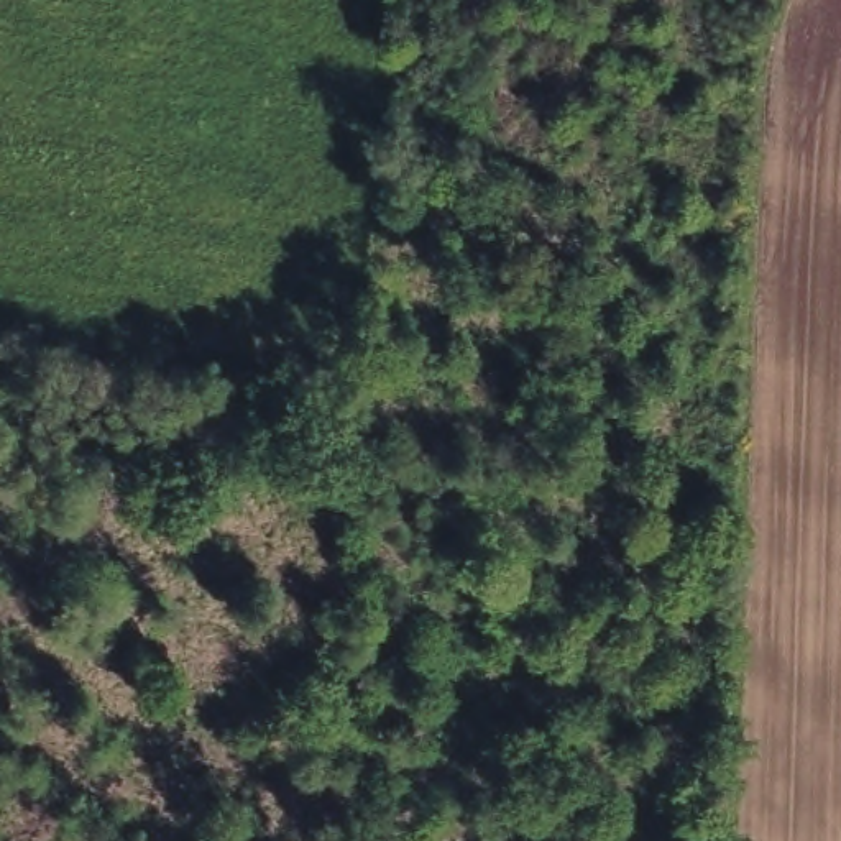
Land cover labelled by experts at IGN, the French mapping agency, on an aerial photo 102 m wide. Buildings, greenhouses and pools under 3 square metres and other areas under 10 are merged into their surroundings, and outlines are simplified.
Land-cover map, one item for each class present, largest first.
<instances>
[{"label":"agricultural land","instance_id":"1","mask_svg":"<svg viewBox=\"0 0 841 841\"><path fill-rule=\"evenodd\" d=\"M384 30V0H0V299L16 302L23 309L49 312L59 322L99 319L108 329L112 342L174 345L184 352L214 322L253 332L289 329V312L296 306H332L338 299H352L371 283L368 273L342 260L335 233H329L322 223L335 214L358 210L361 191L371 184L378 187L381 177H375L371 171L365 161V138L375 125H384L388 118L391 92L398 89L388 76L394 72L388 66L391 46H375V39ZM785 26L775 36L765 76V138L759 141V148L765 151V168L756 240L759 283L752 335V430L742 440V447L752 453L749 506L746 519L752 526L756 558L742 614V627L752 641L749 673L742 680V733L749 739V759L739 762V775L746 782L739 834L749 841H841V0H788V7L782 10Z\"/></svg>","mask_w":841,"mask_h":841},{"label":"deciduous trees","instance_id":"2","mask_svg":"<svg viewBox=\"0 0 841 841\"><path fill-rule=\"evenodd\" d=\"M506 82V76L499 66H489L470 85L450 95V118L470 131H483L496 118V89ZM529 181L522 171L489 187L483 197L453 194L443 207L453 210L466 227H486L506 214L526 210ZM598 243L588 246L581 266L575 269L552 263L545 250H535L526 263L503 266V283L509 289L506 296H489L473 266L463 279L443 276L434 289V299L427 302L447 312L450 322L460 312L493 309L499 312V325L509 329L558 325L555 338L545 345V355L581 358V371L575 375V411H588L604 388L601 365L591 352L601 332V306L611 302L624 286H631L634 276L627 263L614 253V246L611 227H598ZM365 352L348 355L335 368H319L309 378L306 398L289 401L286 417L279 424H266L263 430L250 434L246 460L240 453L207 450L200 453L197 473L158 476L148 480V486H141L131 499L118 496L115 516L141 529L145 539L161 535L174 542L177 552H194L214 529L223 526V519H237L243 512L246 493L260 506H273L276 516L286 519V532L312 529L315 509L345 512L342 568L358 595L345 604H325L319 611V634L325 637L319 644V667L309 683L289 687L283 693L279 706L286 713L273 739L269 752H276V759H283L296 772L292 782L306 792L335 788L345 802V821H338L335 828H322L315 841H411L440 808L450 805L434 788H417L407 782L414 769L434 765L440 759L443 723L457 710L453 680L460 673L496 677L506 673L516 660L526 664L532 673H542L549 683H598V703L578 706L542 729H529L522 736L506 739L503 765L512 785L506 788L503 802H486L480 815L457 808L463 841H627L634 828L631 785L664 759L667 746L657 733L647 736L644 746L627 749L624 756L611 752L601 736L608 733V713L614 706V696L621 693L627 700L631 716L637 719L654 716L657 710H667L680 700H690V693L706 680L719 687L726 710L719 726L723 762L710 769V779L719 788V802L700 818V825H683L677 831V838L683 841H749L739 834L746 782L739 775V762L749 759V739L742 733V680L749 673L752 641L742 627V614L756 558L752 526L746 519L749 506L742 499H726L716 509V519L703 516L690 522H670V503L680 486L677 473L660 460H644L637 499L650 506L644 526L627 542V558L634 562L631 601L608 598L595 604L585 618L572 621V631L565 637L555 634L549 641L545 654L526 647L519 637L506 631V621L519 608L549 611L555 598V581L535 575L532 568L549 562L568 565L575 558L578 542L598 532L581 506L588 493H595L604 483L608 434V427L598 421L588 427V434L568 450V476L516 473H463L453 476L427 466L411 430L404 437L388 440H361V430L371 424L375 404L411 398V391L421 381L466 384L480 371L476 348H450V355H434L421 332V322L414 319V306L401 309V299L394 292L375 286L358 306ZM440 493H460L466 506H473L483 516L486 532L480 535V542L489 545V565L466 558L460 568L450 558L430 555ZM125 683L135 690L141 719L168 726L194 706V700L191 683H184L171 657H164L135 664V673ZM256 828L253 808L223 802L214 811L210 821H200L194 841H250Z\"/></svg>","mask_w":841,"mask_h":841},{"label":"brushwood","instance_id":"3","mask_svg":"<svg viewBox=\"0 0 841 841\"><path fill-rule=\"evenodd\" d=\"M631 0H384V30L375 39V46H391L388 66L394 72L388 76L398 89L391 92L388 118L394 128H411L417 105L450 118V95L470 85L489 66L499 43L522 36L526 30H545L552 36L572 39L575 49L588 53L591 43L608 36L614 7ZM660 23H634L631 39L654 46L660 53V62L644 66L634 59L604 56L598 69L595 99L588 105L568 102L562 108V118L552 122V135L539 145V164L558 174H575V181L585 184V197H562L545 217L555 223H568V217H595L598 227H611L614 246L637 243L654 263H664L673 273L670 299L634 276L631 286H624L611 302L601 306V332L591 352L601 365L604 388L588 411H575V375L581 371V358L545 355L542 371L522 381L506 414L509 424L526 421L535 427V450L516 470V473L568 476V450L588 434V427L598 421L608 427V434L618 427H631L644 440V460H660L677 473L683 466H696L710 480H716L729 496L736 483L733 457L742 447V440L752 430V335L759 283L756 240L765 168V151L759 148V141L765 138V76L775 36L785 26L782 10L788 7V0H657ZM680 69L696 72L706 89L693 99L687 112L670 118L660 108L657 95H664L673 85ZM719 115H736L742 122V164L736 171V197L710 207L703 200V181L713 171V131L719 125ZM667 158L680 164L687 174V204L680 220L654 217L647 164ZM700 230H726L736 240L726 256V279L719 292V309L729 312L733 322L719 335L703 329L700 302L706 296V276L680 246L690 233ZM375 177H381L394 181L398 187L388 210L381 214V223L391 230H414L427 210L443 207L453 194V184L470 181L476 174L473 161L443 164L437 158H424L421 151L391 148V158L371 171ZM227 614L243 624L260 621L273 604L269 581L256 575L250 585L223 588L217 595ZM135 608V591L128 588H115L105 598H82L79 604L62 608L53 627L43 631L33 641V647L59 657L66 670H72L85 657H92L102 667L108 637L128 621ZM46 726H56V719L49 716V700H43L39 693H13L10 713L0 719V798H13L26 811L62 818L69 828H82V841H194L200 821H210L214 811L210 805H204L191 828H177L161 821L154 808H141L135 802L108 795L112 785H118L115 772L135 759L131 733L138 723L112 716L99 693H89L82 716L69 729L85 739V746L62 759L36 746ZM273 739L240 729H227L217 736V742H223L233 756L243 759L269 752ZM411 841H463L457 808L450 805L440 808Z\"/></svg>","mask_w":841,"mask_h":841},{"label":"herbaceous vegetation","instance_id":"4","mask_svg":"<svg viewBox=\"0 0 841 841\"><path fill-rule=\"evenodd\" d=\"M634 23H660L657 0H631L614 7L608 36L591 43L588 53L575 49L572 39L552 36L545 30H526L522 36L499 43L489 66H499L506 76V82L496 89V118L483 131H470L450 118L417 105L411 128H394L388 118L384 125H375L365 138V161L371 171L391 158V148L421 151L424 158H437L443 164L473 161L476 174L470 181L453 184V194L483 197L489 187L522 171L529 181L526 210L506 214L486 227H466L453 210L443 207L427 210L414 230H391L381 223V214L388 210L398 187L394 181L381 177L378 187L371 184L361 191L358 210L335 214L322 223L329 233H335L342 260L368 273L371 283L375 286L394 292L401 299V309L414 306V319L421 322V332L434 355H450V348H476L480 371L466 384L421 381L411 391V398L375 404L371 424L361 430V440H388L404 437L411 430L427 466L453 476L463 473L466 453L460 440L480 427L483 443L512 453L516 470L535 450V427L526 421L509 424L506 414L522 381L542 371L545 355V345L555 338L558 325L509 329L499 325V312L493 309L460 312L450 322L447 312L427 302L434 299V289L443 276L463 279L473 266L489 296H506L509 289L503 283V266L526 263L535 250H545L552 263L575 269L581 266L588 246L598 243V227L595 217H568V223H555L545 217L562 197H585V184L575 181V174H558L539 164V145L552 135V122L562 118V108L568 102L588 105L595 99L598 69L604 56L634 59L644 66L660 62V53L654 46L631 39ZM371 237L388 243H411L417 260L388 269V260L381 253H368ZM706 89L696 72L680 69L673 85L664 95H657L660 108L670 118L687 112L693 99ZM713 171L703 181V200L710 207L736 197V171L742 164V122L736 115H719V125L713 131ZM687 174L680 164L667 158L647 164L654 217L680 220L687 204ZM736 240L726 230H700L690 233L680 246L706 276V296L700 302L703 329L719 335L733 322L729 312L719 309V292L726 279V256ZM614 253L627 263L634 276L670 299L673 273L664 263H654L637 243L614 246ZM289 329L253 332L214 322L184 352L174 345L112 342L108 329L99 319L59 322L49 329V338L43 345L69 348L76 365H102L108 378L128 368L135 378L148 371L154 378H164L168 384H184L207 365H217L227 381L273 375L283 361L296 355L306 335L329 332L335 325L332 306H296L289 312ZM604 483L595 493H588L581 506L598 532L578 542L575 558L568 565L549 562L532 568L535 575L555 581V598L549 611L519 608L506 621V631L519 637L526 647L545 654L549 641L555 634L565 637L572 631V621L585 618L595 604L608 598L631 601L634 562L627 558V542L644 526L650 506L637 499L644 460V440L631 427H618L608 434ZM736 483L729 496L716 480H710L696 466H683L677 473L680 486L670 503V522H690L703 516L716 519V509L726 499H742L749 506L752 453L742 447L733 457ZM486 532L483 516L473 506H466L460 493H440L430 555L450 558L460 568L466 558L489 565V545L480 542V535ZM338 821H345V802L335 788L306 792L302 841H315L322 828H335Z\"/></svg>","mask_w":841,"mask_h":841},{"label":"coniferous trees","instance_id":"5","mask_svg":"<svg viewBox=\"0 0 841 841\"><path fill-rule=\"evenodd\" d=\"M368 253H381L388 260V269L417 260L411 243H388L371 237ZM375 286L371 283L352 299H338L332 306L335 325L329 332L306 335L296 355L283 361L273 375L227 381L217 365H207L184 384H168L164 378H154L148 371L135 378L128 368L108 378L102 365H76L69 348L43 345L49 338V329L59 322L49 312L23 309L16 302L0 299V572L7 575L10 595L20 601L26 618L43 631L53 627L62 608L79 604L82 598H105L115 588H128V578L118 565L108 562L99 568H82L69 549L72 539H82L92 526L105 532V522L115 516L118 496L131 499L141 486H148V480L158 476L197 473L200 453L207 450L240 453L246 460L250 434L263 430L266 424H279L286 417L289 401L306 398L309 378L319 368H335L348 355L365 352L358 306ZM466 453L463 473H516V470L512 453L483 443L480 427L460 440ZM457 710L443 723L440 759L434 765L414 769L407 782L417 788H434L450 805L457 808L480 815L486 802H503L506 788L512 785L503 765L506 739L522 736L529 729H542L578 706L598 703V683H549L542 673H532L526 664L516 660L506 673L496 677L460 673L453 680ZM726 710L719 687L706 680L690 693V700H680L667 710H657L654 716L637 719L631 716L627 700L621 693L614 696V706L608 713V733L601 736L611 752L624 756L627 749L644 746L647 736L657 733L667 746L664 759L631 785L634 828L627 841H683L677 838V831L683 825H700V818L719 802V788L710 779V769L723 762L719 726Z\"/></svg>","mask_w":841,"mask_h":841},{"label":"bare soil","instance_id":"6","mask_svg":"<svg viewBox=\"0 0 841 841\"><path fill-rule=\"evenodd\" d=\"M345 512L315 509L312 529L286 532V519L276 516L273 506H260L246 493L243 512L237 519H223V526L214 529L194 552H177L174 542L161 535L145 539L141 529L115 516L105 522V532L92 526L82 539H72L69 549L82 568H99L108 562L118 565L128 578V588L135 591V608L128 621L108 637L102 667L92 657H85L72 670H66L59 657L33 647V641L43 631L26 618L20 601L10 595L7 575L0 572V719L10 713L13 693H39L43 700H49V716L56 719V726H46L36 746L62 759L85 746V739L69 729L82 716L89 693H99L112 716L138 723L131 733L135 759L115 772L118 785H112L108 795L135 802L141 808H154L161 821L177 828H191L204 805H210L214 811L223 802L253 808L256 828L250 841H302L306 792L292 782L296 772L283 759H276V752H269L243 759L233 756L223 742H217V736L227 729H240L273 739L286 713L279 706L283 693L289 687L309 683L319 667V644L325 637L319 634V611L325 604H345L358 595L342 568ZM256 575L269 581L273 604L260 621L243 624L227 614L217 595L223 588L250 585ZM164 657H171L184 683H191L194 700V706L168 726L141 719L135 690L125 683L135 673V664ZM0 841H82V828H69L62 818L26 811L13 798H0Z\"/></svg>","mask_w":841,"mask_h":841}]
</instances>
